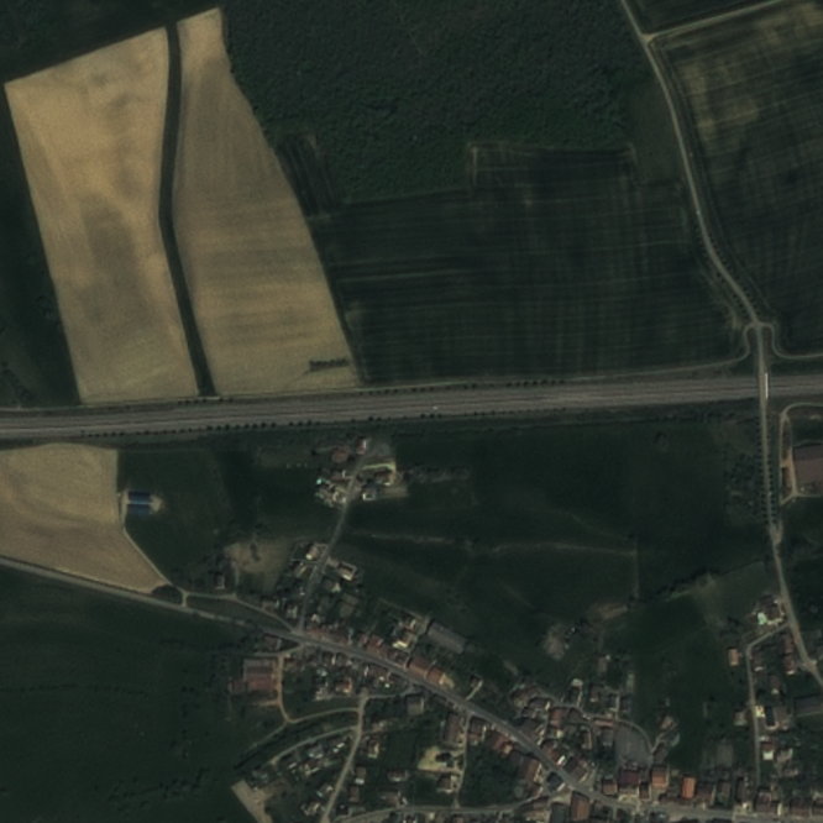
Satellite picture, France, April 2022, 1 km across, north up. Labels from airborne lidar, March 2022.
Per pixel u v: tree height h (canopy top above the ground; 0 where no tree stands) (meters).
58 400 0
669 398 0
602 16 12
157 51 0
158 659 0
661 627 0
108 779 0
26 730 0
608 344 0
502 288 0
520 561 0
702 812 0
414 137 13
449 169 12
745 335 0
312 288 0
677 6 0
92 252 0
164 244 0
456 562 0
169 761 0
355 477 0
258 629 13
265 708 0
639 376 0
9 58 0
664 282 0
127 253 0
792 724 0
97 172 0
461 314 0
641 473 0
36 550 0
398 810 0
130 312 0
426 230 0
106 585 0
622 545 0
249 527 0
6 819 0
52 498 0
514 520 0
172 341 0
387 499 0
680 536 0
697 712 0
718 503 0
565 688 0
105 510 0
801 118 0
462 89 13
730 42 0
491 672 0
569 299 0
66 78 0
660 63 0
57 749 0
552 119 11
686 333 0
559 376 0
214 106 0
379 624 0
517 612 0
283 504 0
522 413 0
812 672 0
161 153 0
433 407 0
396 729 0
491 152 0
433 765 0
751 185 0
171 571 0
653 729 0
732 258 0
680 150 0
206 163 0
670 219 0
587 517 0
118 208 0
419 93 13
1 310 0
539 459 0
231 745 0
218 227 0
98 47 0
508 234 0
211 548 0
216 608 0
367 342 0
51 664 0
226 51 0
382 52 12
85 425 0
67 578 0
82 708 0
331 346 0
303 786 0
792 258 0
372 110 12
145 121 0
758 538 0
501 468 0
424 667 0
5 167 0
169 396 0
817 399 0
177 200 0
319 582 0
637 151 0
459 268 0
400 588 0
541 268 0
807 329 0
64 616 0
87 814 0
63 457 0
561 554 0
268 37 15
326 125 13
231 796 0
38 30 9
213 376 0
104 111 0
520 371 0
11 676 0
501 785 6
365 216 0
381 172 11
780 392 0
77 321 0
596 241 0
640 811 0
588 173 0
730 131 0
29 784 0
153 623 0
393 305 0
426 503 0
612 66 17
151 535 0
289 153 0
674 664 0
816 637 0
